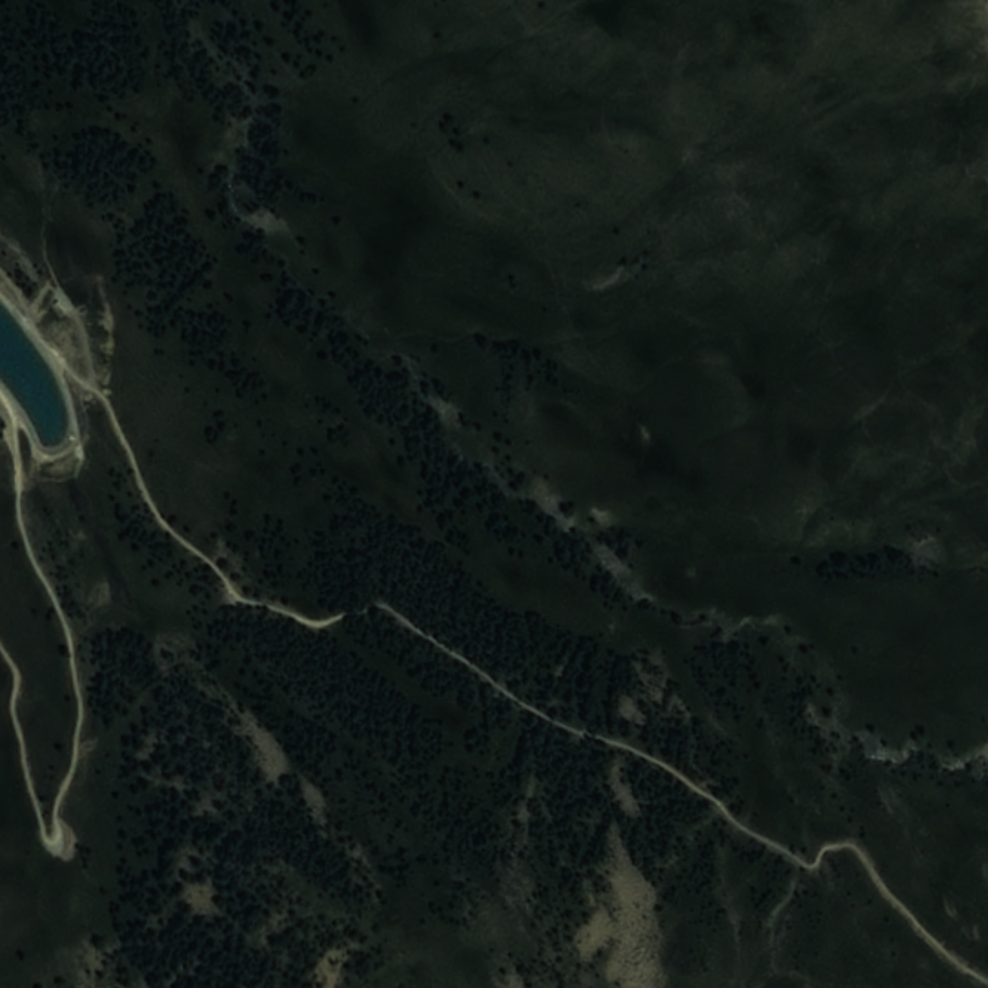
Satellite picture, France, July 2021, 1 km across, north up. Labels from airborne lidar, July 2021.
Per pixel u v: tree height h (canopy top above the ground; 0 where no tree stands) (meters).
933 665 0
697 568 0
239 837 12
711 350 0
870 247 0
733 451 0
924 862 0
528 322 0
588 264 0
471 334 0
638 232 0
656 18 0
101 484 0
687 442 0
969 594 0
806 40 0
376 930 10
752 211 0
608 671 8
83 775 0
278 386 0
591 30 0
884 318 0
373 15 0
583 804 16
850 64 0
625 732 11
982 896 0
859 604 0
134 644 18
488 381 0
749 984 0
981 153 0
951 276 0
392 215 0
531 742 9
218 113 9
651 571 0
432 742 10
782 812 0
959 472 0
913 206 0
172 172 0
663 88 0
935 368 0
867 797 0
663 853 15
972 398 0
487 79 0
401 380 17
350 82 0
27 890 0
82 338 0
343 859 10
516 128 0
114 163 16
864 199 0
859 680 0
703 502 0
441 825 7
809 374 0
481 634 17
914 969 0
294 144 0
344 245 0
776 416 0
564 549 16
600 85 0
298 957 8
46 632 0
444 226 0
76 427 0
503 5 0
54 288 0
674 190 0
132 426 0
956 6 0
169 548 7
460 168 0
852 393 0
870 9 0
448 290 0
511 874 0
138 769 19
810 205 0
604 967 0
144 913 13
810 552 0
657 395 0
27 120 10
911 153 0
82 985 0
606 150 0
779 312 0
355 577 13
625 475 0
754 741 0
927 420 0
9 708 0
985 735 0
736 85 0
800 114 0
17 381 0
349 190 0
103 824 0
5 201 0
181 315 7
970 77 0
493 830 10
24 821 0
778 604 0
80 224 0
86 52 21
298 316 18
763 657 0
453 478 11
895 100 0
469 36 0
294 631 12
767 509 0
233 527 11
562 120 0
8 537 0
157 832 10
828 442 0
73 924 0
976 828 0
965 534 0
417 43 0
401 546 17
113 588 0
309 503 0
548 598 0
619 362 0
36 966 0
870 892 0
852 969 0
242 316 0
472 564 0
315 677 13
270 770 0
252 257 14
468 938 0
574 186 0
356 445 0
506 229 0
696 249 0
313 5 0
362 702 14
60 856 0
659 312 0
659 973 0
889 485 0
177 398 0
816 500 0
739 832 0
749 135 0
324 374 0
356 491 13
